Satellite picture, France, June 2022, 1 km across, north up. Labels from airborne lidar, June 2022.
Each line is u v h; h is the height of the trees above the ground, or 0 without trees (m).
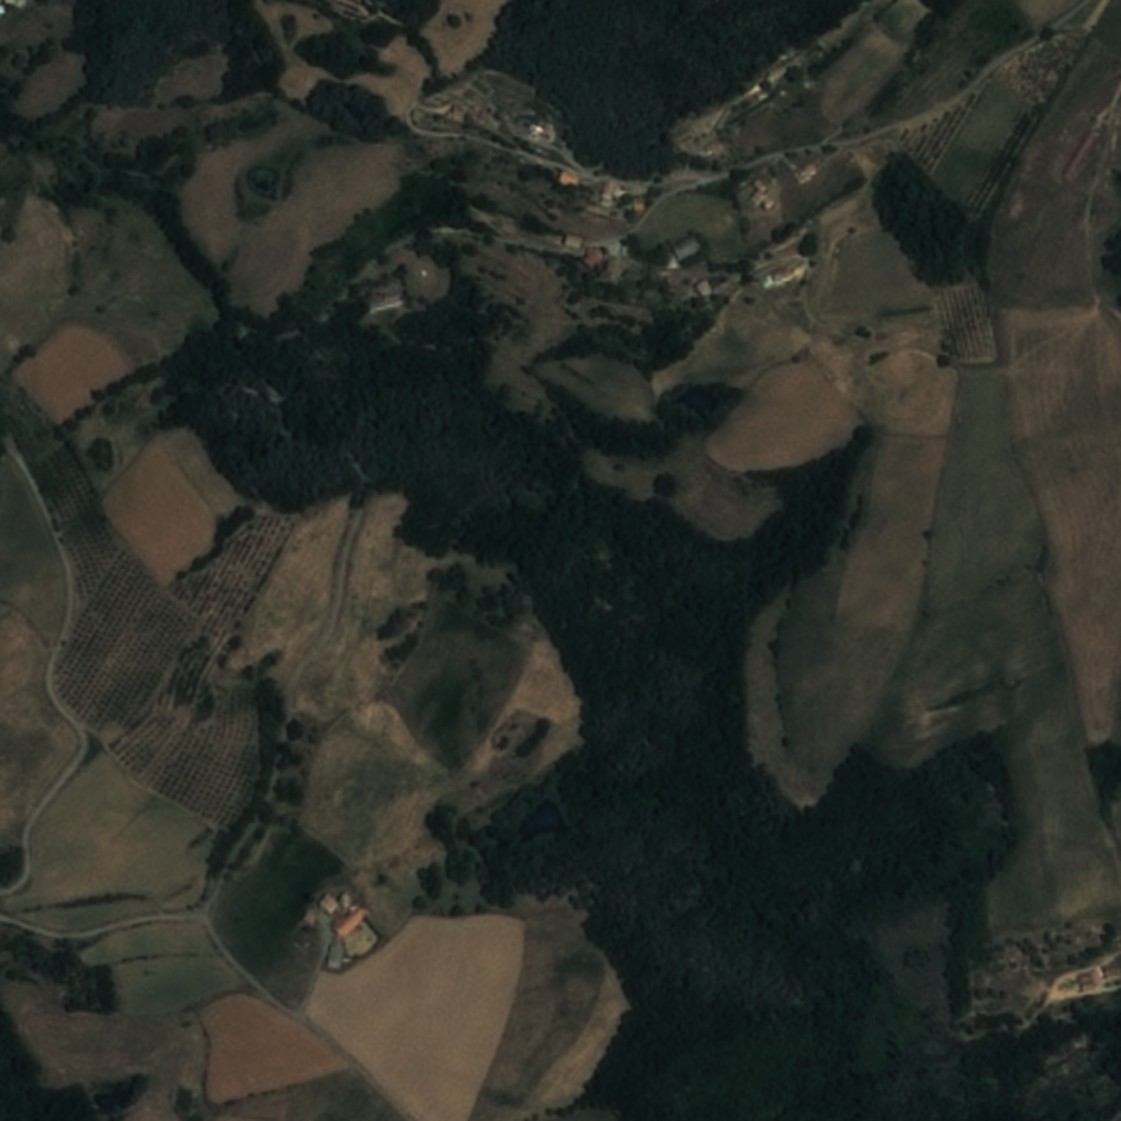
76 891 0
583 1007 0
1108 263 13
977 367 0
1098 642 0
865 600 0
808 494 15
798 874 8
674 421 11
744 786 11
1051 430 0
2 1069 12
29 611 0
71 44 12
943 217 23
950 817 19
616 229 0
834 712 0
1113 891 0
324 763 0
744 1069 12
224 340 18
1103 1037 16
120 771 0
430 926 0
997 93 0
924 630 0
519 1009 0
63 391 0
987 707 0
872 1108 15
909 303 0
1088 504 0
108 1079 0
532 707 0
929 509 0
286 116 0
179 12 15
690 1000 14
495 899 10
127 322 0
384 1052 0
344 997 0
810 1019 16
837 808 11
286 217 0
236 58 10
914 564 0
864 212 0
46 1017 0
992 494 0
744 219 0
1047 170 0
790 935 20
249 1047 0
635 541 23
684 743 16
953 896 11
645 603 10
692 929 13
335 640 0
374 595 0
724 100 10
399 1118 0
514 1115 0
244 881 0
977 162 0
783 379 0
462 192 13
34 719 0
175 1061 0
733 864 17
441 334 14
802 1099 19
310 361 17
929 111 0
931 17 7
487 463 16
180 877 0
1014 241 0
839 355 0
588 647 13
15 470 0
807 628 0
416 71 0
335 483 14
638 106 13
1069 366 0
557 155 0
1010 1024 11
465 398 22
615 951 12
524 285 0
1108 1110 10
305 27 0
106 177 8
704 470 0
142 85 14
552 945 0
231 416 16
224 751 0
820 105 0
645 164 16
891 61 0
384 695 0
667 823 16
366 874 0
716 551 14
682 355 12
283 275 0
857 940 13
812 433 0
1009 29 7
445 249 14
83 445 0
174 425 12
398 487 12
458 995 0
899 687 0
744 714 11
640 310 0
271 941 0
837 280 0
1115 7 0
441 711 0
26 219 0
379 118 18
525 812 9
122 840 0
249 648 0
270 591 0
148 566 0
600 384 0
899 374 0
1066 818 0
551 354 10
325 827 0
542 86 13
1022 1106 10
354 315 16
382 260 13
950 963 9
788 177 0
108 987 11
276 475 21
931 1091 8
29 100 0
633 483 0
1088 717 0
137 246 0
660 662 19
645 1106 13
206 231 0
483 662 0
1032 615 0
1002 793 9
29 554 0
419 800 0
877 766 11
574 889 7
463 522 11
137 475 0
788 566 18
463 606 7
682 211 0
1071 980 0
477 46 0
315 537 0
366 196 0
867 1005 6
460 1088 0
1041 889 0
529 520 22
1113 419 0
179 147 6
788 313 0
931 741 0
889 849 14
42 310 0
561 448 23
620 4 17
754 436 0
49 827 0
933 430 0
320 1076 0
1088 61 0
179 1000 0
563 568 14
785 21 13
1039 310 0
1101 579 0
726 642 15
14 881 8
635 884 15
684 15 12
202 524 0
